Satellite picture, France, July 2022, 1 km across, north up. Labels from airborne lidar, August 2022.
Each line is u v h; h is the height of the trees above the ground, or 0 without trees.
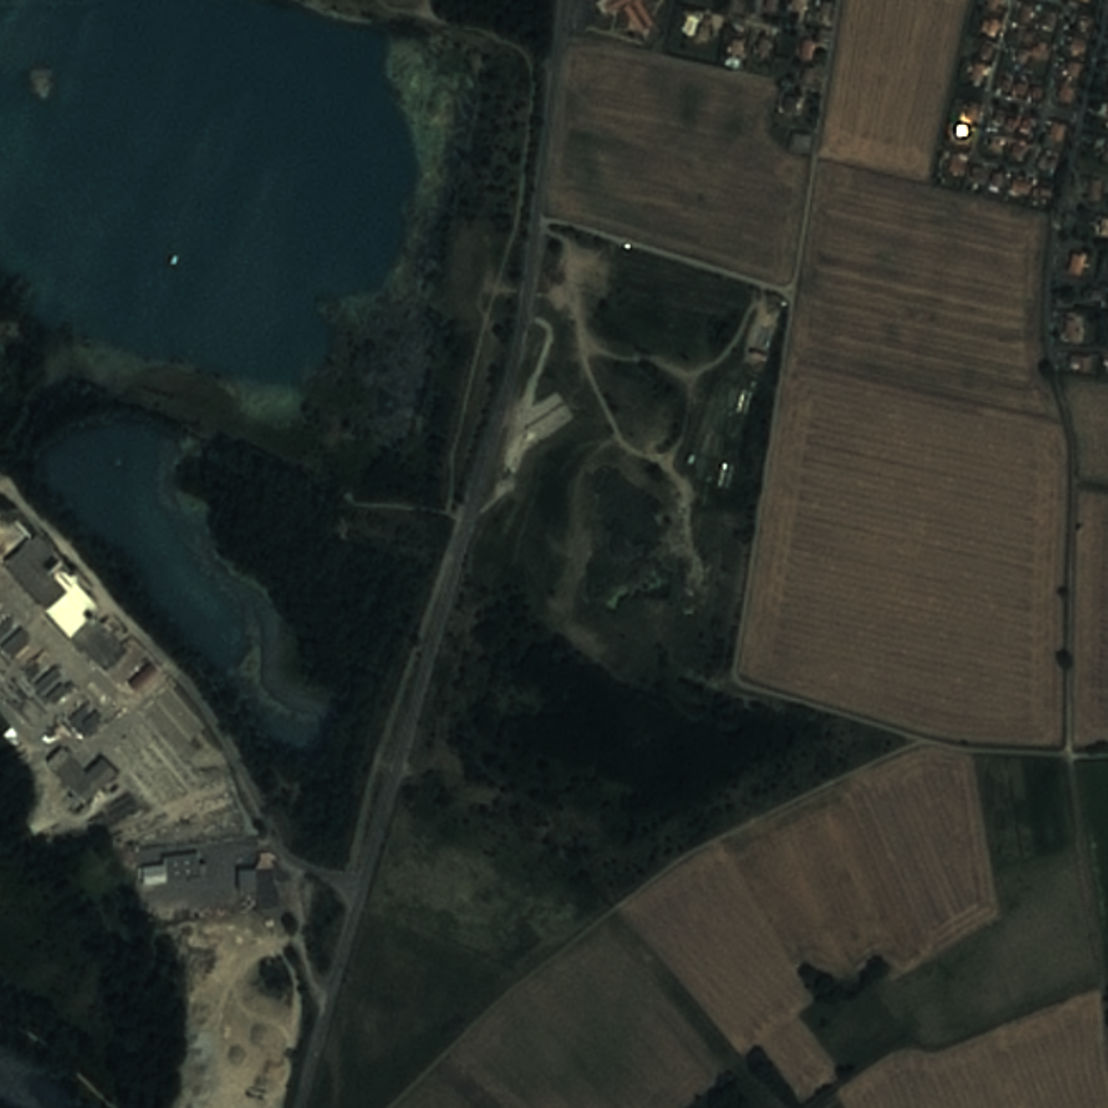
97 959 23
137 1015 17
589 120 0
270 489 17
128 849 0
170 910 0
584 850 9
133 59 0
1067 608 0
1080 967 0
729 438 0
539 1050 0
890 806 0
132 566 14
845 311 0
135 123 0
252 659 0
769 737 10
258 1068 0
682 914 0
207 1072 0
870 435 0
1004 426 0
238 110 0
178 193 0
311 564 21
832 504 0
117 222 0
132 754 0
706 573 0
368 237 0
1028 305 0
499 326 9
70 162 0
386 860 0
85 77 0
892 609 0
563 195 0
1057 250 0
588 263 0
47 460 0
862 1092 0
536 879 0
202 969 0
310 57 0
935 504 0
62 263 0
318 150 0
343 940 0
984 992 0
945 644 0
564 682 9
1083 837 0
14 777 19
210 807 0
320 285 0
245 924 0
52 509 18
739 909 0
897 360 0
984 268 0
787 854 0
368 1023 0
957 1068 0
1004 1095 0
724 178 0
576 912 0
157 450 0
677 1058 0
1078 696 0
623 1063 0
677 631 0
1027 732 0
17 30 0
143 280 0
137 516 0
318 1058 0
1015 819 0
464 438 0
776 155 0
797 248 0
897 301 0
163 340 0
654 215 0
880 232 0
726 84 0
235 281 0
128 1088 26
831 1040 0
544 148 0
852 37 0
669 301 0
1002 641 0
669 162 0
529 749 8
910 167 0
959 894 0
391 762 0
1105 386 0
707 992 0
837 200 0
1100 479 0
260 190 0
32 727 0
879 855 0
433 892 0
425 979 0
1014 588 0
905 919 0
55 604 0
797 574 0
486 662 9
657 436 0
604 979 0
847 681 0
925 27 0
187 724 0
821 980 13
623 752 5
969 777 0
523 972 0
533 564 0
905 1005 0
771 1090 7
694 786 9
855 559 0
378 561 20
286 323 0
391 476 10
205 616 0
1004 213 0
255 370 0
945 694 0
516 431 0
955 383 0
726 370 0
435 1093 0
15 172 0
